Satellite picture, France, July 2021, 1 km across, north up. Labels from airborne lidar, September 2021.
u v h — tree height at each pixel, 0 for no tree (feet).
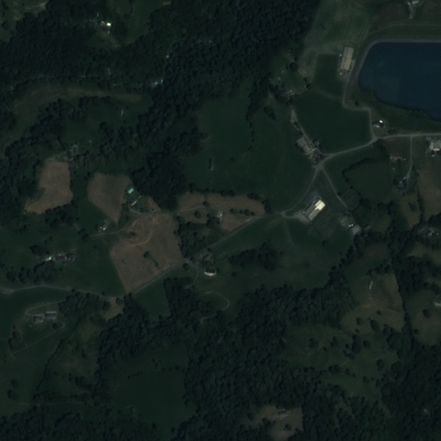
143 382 0
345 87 0
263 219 0
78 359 0
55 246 0
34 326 0
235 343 56
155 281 0
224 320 55
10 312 0
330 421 29
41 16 51
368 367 0
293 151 0
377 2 0
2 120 58
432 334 0
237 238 0
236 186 0
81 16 67
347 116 0
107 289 0
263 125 0
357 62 0
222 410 76
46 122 53
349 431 34
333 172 0
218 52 75
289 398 77
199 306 70
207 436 98
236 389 79
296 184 0
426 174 0
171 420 0
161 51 72
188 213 0
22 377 0
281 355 37
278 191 0
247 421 0
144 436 77
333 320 56
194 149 72
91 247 0
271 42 61
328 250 0
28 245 0
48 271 78
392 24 0
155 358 0
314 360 0
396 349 70
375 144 30
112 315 0
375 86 0
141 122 24
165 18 35
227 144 0
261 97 23
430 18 0
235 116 0
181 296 41
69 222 54
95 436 33
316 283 0
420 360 46
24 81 38
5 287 0
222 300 0
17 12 0
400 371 47
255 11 97
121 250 0
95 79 62
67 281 0
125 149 74
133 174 36
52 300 0
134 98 0
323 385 68
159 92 112
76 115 77
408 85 0
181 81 107
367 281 0
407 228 0
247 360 67
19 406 0
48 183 0
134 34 0
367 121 0
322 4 39
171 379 0
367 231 27
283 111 0
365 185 0
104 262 0
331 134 0
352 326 0
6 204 75
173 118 101
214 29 78
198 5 70
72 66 76
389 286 0
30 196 35
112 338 98
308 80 43
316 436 21
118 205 0
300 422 0
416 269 44
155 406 0
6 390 0
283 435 0
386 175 0
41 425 38
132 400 0
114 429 42
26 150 90
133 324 66
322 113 0
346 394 46
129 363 21
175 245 0
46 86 0
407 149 0
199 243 71
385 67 0
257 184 0
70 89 0
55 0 87
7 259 0
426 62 0
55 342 0
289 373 77
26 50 62
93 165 54
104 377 83
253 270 0
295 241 0
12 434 101
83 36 62
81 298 72
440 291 45
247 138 0
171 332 91
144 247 0
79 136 0
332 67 0
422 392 36
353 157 0
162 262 0
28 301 0
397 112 0
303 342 0
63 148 21
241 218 0
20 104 0
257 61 38
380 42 0
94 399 46
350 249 0
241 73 26
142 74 70
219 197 0
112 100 26
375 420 28
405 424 77
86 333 0
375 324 60
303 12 93
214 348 82
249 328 69
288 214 0
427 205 0
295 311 37
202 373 28
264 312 67
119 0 0
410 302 0
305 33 36
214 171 0
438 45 0
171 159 107
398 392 79
